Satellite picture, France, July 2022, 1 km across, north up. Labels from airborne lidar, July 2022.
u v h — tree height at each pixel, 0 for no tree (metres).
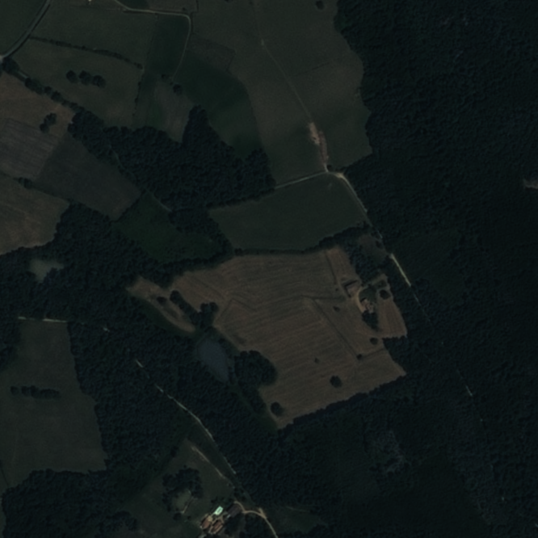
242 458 24
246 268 0
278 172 0
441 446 12
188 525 0
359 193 10
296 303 0
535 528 10
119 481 6
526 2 20
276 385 0
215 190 15
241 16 0
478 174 15
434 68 22
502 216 19
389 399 19
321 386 0
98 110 0
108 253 20
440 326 24
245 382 20
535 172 21
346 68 0
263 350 0
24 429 0
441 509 6
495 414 11
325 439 6
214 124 0
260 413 17
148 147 22
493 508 19
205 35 0
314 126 0
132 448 25
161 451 26
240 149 0
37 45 0
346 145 0
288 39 0
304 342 0
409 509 6
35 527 21
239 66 0
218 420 27
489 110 16
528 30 16
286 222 0
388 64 18
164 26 0
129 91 0
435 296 25
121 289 23
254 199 15
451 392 20
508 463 22
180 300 15
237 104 0
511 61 16
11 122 0
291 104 0
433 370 19
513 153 18
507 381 21
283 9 0
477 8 20
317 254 0
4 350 18
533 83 21
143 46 0
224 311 0
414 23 20
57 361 0
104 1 0
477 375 21
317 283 0
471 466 20
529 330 15
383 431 18
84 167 0
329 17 0
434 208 25
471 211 23
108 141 21
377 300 0
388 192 17
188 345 16
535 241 18
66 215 14
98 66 0
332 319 0
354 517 9
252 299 0
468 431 20
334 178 0
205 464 0
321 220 0
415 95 25
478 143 14
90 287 21
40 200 0
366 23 13
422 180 15
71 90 0
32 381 0
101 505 19
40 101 0
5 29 0
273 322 0
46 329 0
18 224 0
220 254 17
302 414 0
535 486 17
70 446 0
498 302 19
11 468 0
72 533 6
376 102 16
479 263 23
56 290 23
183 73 0
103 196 0
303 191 0
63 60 0
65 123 0
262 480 30
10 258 17
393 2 6
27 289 24
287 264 0
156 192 17
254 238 0
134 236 0
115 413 15
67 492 16
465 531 7
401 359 18
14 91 0
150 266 17
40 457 0
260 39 0
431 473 6
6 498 16
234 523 17
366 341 0
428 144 28
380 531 9
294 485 27
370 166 11
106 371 7
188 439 6
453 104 20
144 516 0
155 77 0
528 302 17
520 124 23
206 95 0
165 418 24
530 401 17
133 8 0
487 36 14
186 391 27
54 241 12
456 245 6
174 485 12
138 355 21
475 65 16
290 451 20
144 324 22
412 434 20
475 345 19
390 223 17
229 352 14
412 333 23
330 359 0
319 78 0
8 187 0
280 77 0
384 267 17
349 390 0
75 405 0
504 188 19
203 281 0
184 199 23
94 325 15
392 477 21
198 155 24
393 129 23
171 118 0
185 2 0
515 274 13
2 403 0
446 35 17
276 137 0
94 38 0
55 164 0
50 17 0
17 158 0
